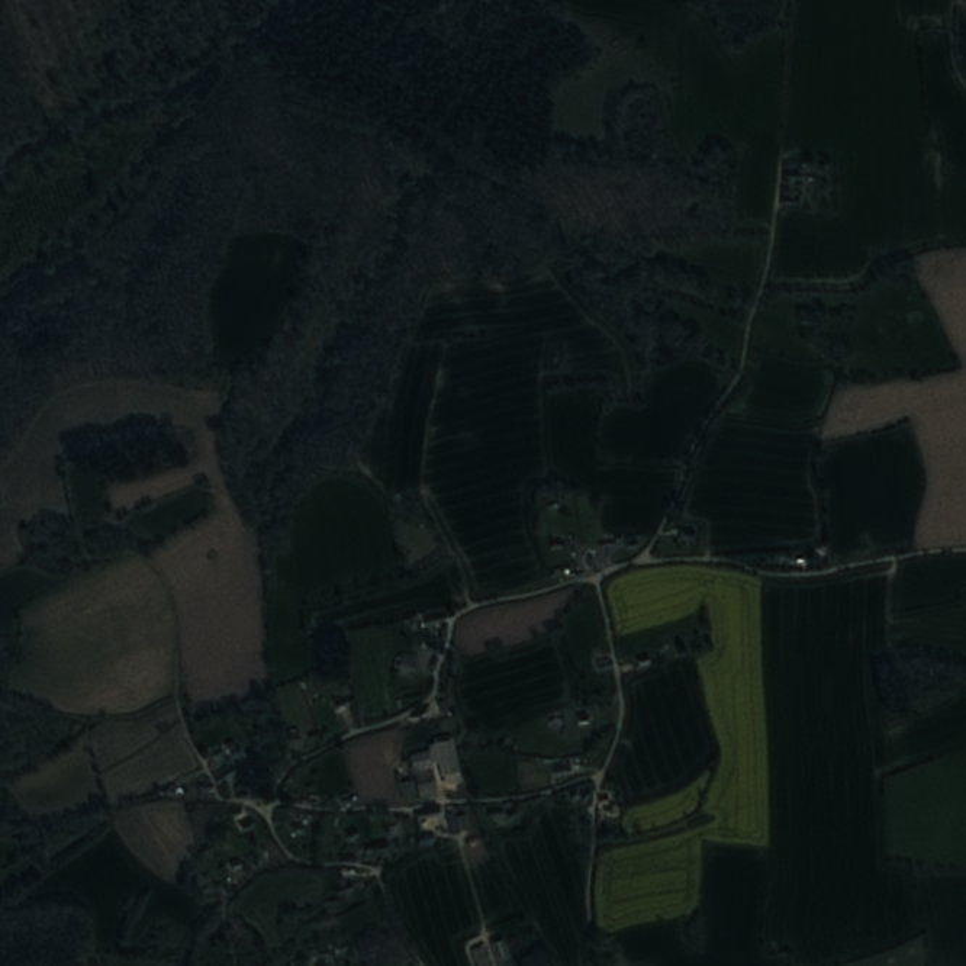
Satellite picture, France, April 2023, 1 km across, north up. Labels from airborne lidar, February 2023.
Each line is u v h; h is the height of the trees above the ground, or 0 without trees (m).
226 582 0
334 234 19
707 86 0
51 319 26
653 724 0
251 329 0
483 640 0
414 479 0
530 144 28
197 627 0
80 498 0
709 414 11
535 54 31
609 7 0
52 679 0
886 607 0
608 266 8
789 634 0
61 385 18
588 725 0
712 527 0
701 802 10
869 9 0
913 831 0
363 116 40
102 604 0
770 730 0
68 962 18
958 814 0
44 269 17
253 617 0
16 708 13
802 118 0
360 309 10
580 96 0
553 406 0
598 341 0
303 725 0
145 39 16
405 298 21
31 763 13
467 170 25
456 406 0
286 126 20
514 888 0
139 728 0
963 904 0
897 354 0
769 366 0
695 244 20
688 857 0
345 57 32
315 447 25
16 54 20
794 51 0
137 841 0
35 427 0
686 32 0
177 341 21
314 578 0
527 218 23
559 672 0
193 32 23
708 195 15
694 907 0
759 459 0
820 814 0
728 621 0
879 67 0
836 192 10
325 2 33
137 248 13
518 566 0
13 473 0
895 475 0
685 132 0
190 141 21
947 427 0
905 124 0
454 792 0
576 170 20
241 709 14
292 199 16
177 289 23
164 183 14
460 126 20
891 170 0
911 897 0
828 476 0
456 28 21
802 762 0
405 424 0
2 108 19
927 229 0
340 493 0
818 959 0
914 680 24
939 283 0
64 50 27
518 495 0
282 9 32
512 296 0
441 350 0
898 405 0
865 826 0
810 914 0
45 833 21
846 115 0
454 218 26
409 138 32
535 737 0
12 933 19
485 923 0
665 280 24
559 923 0
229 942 13
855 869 0
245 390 19
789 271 0
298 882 0
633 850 0
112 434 11
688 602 0
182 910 0
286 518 9
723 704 0
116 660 0
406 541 0
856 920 0
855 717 0
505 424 0
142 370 22
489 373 0
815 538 0
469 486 0
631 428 0
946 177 0
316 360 15
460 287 0
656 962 0
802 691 0
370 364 25
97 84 6
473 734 13
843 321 7
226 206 22
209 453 0
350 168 16
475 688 0
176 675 0
